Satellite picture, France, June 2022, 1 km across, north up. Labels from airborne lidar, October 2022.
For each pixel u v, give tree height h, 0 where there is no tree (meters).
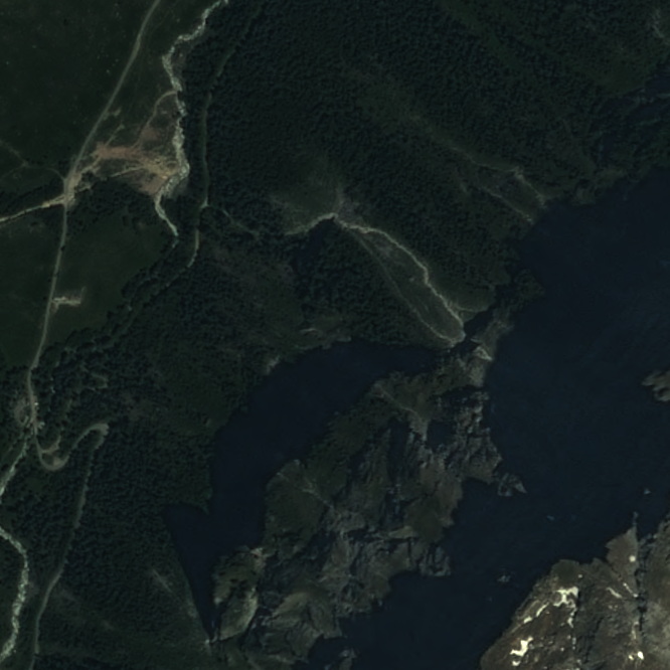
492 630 0
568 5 23
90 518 9
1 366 18
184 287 9
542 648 0
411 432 26
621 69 0
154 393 12
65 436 10
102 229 0
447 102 7
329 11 16
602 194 7
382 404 7
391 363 16
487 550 0
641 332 0
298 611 0
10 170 0
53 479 8
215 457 8
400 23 6
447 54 12
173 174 0
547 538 12
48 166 0
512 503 0
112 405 19
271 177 10
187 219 8
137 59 0
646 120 6
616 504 0
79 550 22
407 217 8
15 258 0
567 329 0
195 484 7
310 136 7
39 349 0
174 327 11
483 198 9
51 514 15
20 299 0
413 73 9
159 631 6
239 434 0
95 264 0
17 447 9
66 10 0
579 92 8
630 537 0
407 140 10
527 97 10
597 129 8
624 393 0
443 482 0
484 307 0
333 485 0
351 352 0
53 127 0
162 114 0
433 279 0
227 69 11
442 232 7
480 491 0
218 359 8
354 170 11
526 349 0
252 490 0
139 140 0
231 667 0
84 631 7
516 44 20
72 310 0
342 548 0
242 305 7
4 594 0
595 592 0
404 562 0
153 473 21
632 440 0
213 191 16
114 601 11
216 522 0
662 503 0
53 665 8
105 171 0
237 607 0
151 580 9
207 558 14
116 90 0
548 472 0
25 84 0
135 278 7
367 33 10
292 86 13
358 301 13
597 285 0
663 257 0
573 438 0
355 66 8
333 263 8
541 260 11
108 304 0
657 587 0
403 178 7
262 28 22
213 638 14
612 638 0
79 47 0
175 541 6
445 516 0
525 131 9
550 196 0
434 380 9
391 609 0
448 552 0
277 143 7
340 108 16
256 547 9
